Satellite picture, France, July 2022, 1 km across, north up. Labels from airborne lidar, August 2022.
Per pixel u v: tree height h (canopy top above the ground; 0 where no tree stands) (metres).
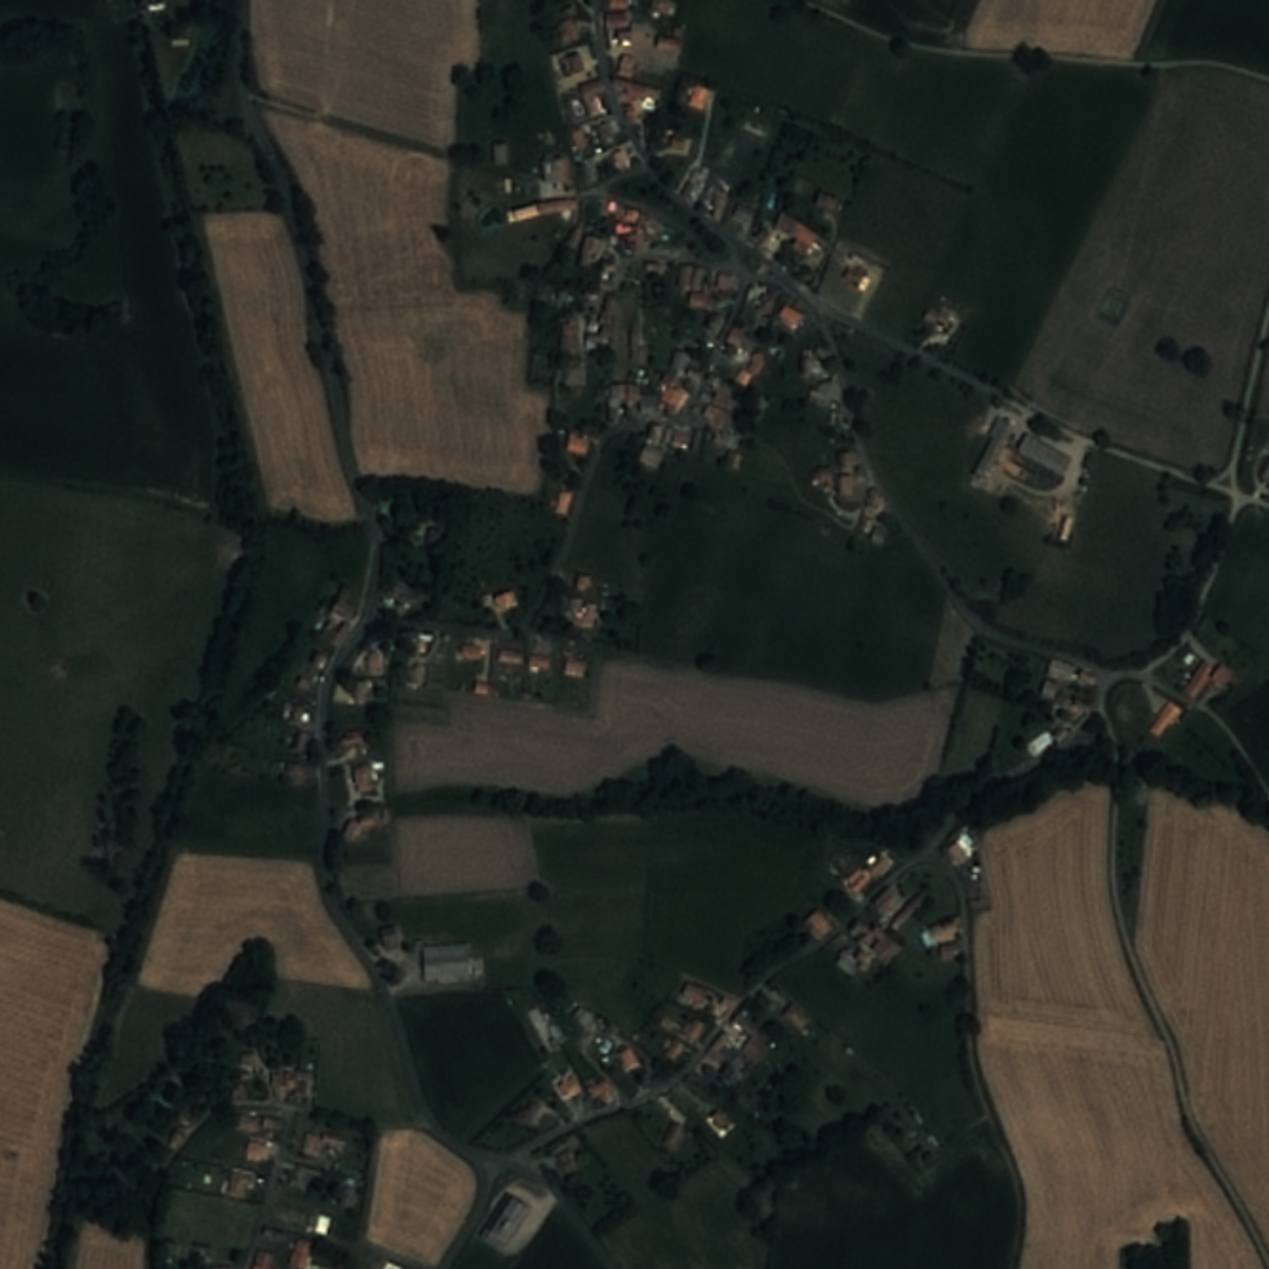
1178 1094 0
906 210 0
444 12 0
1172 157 0
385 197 0
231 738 6
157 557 0
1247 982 0
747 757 0
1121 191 0
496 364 0
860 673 0
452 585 6
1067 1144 0
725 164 0
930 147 0
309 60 0
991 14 0
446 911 0
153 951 0
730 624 0
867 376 0
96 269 0
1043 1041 0
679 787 16
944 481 0
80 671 0
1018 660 8
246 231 0
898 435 0
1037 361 0
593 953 0
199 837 0
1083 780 13
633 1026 0
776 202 7
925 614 0
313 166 0
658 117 6
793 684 0
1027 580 7
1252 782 12
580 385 0
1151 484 0
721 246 13
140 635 0
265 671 7
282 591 0
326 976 0
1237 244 0
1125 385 0
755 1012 9
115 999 7
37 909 5
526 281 14
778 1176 15
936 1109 0
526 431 0
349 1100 0
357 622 0
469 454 0
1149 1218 0
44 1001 0
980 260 0
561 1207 0
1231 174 0
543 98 0
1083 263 0
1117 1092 0
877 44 0
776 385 0
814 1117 0
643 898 0
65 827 0
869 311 0
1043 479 0
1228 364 0
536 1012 0
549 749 0
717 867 0
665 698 0
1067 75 0
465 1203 0
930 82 0
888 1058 0
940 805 23
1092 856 0
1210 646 0
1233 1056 0
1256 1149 0
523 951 0
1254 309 0
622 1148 0
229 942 0
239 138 15
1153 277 0
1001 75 0
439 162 0
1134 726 0
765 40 0
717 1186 0
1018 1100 0
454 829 0
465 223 0
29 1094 0
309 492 0
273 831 0
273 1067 10
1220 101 0
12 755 0
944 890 0
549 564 13
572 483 7
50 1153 0
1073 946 0
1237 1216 0
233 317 0
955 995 13
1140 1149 0
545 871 0
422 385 0
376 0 0
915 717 0
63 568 0
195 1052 27
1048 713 9
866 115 0
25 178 0
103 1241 0
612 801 12
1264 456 0
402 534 11
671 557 0
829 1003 0
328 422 0
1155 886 0
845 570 0
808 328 0
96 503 0
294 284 0
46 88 0
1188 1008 0
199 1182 0
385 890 0
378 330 0
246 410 0
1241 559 0
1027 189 0
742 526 0
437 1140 0
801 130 6
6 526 0
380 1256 0
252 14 0
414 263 0
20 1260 0
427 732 0
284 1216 0
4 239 0
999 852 0
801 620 0
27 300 15
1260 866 0
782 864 0
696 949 0
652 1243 0
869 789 0
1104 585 0
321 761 10
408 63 0
